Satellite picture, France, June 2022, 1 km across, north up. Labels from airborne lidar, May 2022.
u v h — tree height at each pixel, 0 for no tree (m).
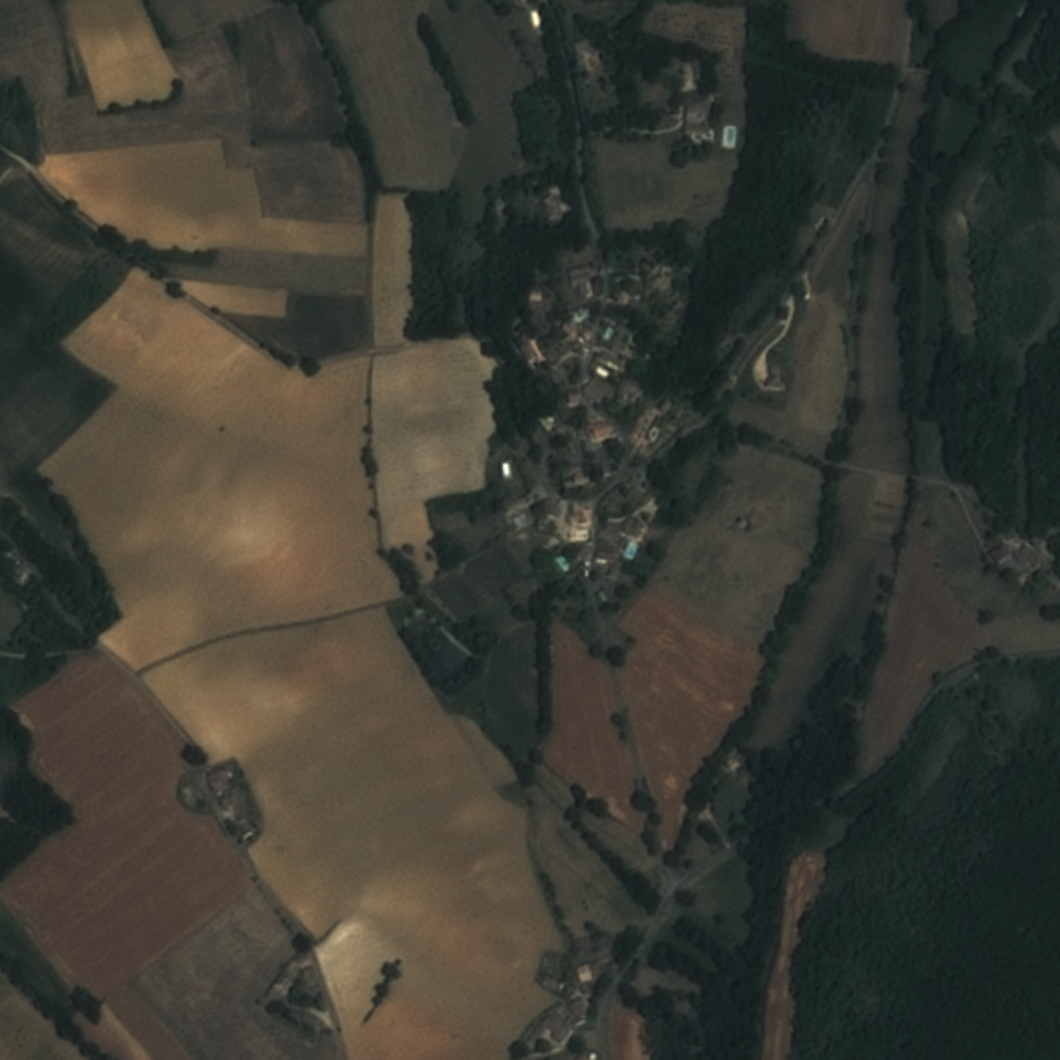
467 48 0
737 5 12
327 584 0
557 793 0
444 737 0
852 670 27
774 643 22
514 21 0
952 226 0
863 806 5
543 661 16
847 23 0
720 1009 26
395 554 12
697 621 0
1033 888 11
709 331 17
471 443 0
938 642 0
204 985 0
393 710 0
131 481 0
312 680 0
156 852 0
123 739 0
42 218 0
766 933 26
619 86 15
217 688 0
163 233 0
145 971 0
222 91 0
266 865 0
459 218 9
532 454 11
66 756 0
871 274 0
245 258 0
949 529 0
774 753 23
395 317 0
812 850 0
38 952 0
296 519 0
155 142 0
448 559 16
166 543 0
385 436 0
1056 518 13
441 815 0
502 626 0
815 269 0
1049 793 14
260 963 0
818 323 0
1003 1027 9
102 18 0
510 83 0
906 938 7
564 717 0
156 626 0
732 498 0
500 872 0
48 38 0
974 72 0
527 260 10
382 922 0
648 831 10
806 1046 7
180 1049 0
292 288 0
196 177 0
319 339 0
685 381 23
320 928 0
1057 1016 9
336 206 0
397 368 0
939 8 0
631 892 7
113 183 0
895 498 0
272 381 0
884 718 0
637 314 11
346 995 0
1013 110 15
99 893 0
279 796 0
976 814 13
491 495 8
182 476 0
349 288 0
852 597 0
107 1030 0
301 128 0
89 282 6
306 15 16
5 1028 0
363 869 0
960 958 10
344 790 0
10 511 13
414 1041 0
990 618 11
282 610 0
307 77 0
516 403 17
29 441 0
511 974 0
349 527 0
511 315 18
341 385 0
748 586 0
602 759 0
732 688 0
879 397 0
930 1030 15
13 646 14
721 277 14
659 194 0
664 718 0
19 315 0
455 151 0
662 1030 31
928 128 20
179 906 0
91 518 0
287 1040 0
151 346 0
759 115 18
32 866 0
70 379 0
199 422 0
